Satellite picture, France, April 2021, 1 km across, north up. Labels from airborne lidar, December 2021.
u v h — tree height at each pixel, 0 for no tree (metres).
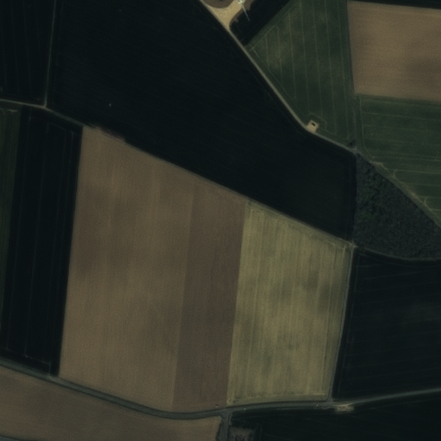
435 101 0
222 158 0
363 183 24
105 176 0
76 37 0
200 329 0
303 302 0
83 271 0
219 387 0
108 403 0
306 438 0
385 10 0
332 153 0
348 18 0
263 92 0
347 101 0
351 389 0
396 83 0
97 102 0
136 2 0
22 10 0
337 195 0
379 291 0
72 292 0
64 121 0
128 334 0
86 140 0
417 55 0
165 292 0
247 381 0
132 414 0
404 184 0
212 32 0
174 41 0
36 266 0
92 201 0
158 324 0
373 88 0
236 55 0
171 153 0
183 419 0
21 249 0
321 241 0
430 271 0
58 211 0
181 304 0
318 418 0
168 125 0
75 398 0
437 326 0
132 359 0
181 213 0
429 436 0
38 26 0
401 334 0
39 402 0
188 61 0
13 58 0
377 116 0
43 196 0
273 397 0
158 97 0
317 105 0
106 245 0
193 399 0
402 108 0
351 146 6
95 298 0
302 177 0
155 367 0
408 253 17
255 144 0
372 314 0
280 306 0
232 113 0
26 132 0
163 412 0
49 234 0
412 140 0
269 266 0
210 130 0
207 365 0
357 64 0
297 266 0
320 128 0
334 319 0
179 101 0
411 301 0
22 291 0
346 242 0
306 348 0
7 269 0
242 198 0
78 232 0
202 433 0
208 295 0
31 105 0
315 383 0
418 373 0
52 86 0
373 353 0
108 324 0
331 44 0
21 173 0
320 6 0
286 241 0
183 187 0
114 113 0
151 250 0
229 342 0
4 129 0
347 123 0
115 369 0
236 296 0
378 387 0
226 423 0
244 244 0
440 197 0
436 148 0
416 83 0
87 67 0
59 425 0
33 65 0
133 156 0
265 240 0
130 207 0
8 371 0
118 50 0
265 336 0
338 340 0
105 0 0
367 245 19
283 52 0
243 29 0
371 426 0
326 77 0
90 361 0
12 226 0
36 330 0
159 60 0
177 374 0
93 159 0
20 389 0
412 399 0
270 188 0
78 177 0
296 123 0
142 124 0
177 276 0
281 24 0
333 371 0
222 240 0
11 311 0
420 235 23
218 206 0
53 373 0
